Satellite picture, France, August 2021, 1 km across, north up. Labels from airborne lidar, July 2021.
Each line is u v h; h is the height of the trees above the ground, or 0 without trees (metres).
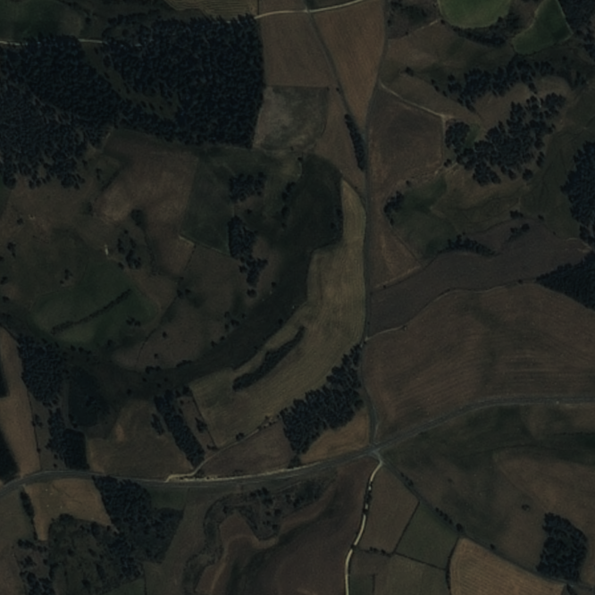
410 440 0
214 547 0
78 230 0
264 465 0
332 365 0
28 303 0
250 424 0
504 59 0
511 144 14
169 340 0
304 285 0
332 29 0
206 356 0
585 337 0
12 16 0
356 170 0
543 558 9
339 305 0
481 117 0
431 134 0
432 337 0
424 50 0
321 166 0
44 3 0
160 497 0
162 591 0
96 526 14
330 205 0
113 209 0
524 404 0
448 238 0
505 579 0
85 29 0
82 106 19
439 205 0
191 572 0
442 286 0
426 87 0
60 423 15
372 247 0
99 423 0
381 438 0
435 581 0
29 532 0
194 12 0
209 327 0
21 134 19
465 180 0
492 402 0
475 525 0
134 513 17
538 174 0
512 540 0
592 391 0
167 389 0
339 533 0
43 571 0
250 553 0
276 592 0
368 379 0
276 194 0
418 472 0
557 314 0
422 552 0
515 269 0
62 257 0
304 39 0
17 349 0
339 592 0
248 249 19
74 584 0
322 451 0
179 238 0
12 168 16
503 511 0
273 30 0
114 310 0
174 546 0
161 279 0
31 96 15
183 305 0
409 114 0
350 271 0
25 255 0
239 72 23
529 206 0
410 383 0
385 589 0
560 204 0
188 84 9
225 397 0
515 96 0
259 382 0
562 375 0
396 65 0
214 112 23
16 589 0
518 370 0
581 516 0
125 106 23
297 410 8
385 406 0
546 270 0
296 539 0
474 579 0
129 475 0
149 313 0
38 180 8
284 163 0
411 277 0
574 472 0
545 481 0
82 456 16
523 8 0
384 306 0
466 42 0
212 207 0
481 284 0
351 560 0
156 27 11
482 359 0
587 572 0
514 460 0
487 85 18
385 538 0
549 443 0
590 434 0
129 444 0
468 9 0
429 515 0
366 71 0
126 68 30
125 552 18
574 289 9
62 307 0
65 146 18
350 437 0
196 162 0
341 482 0
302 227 0
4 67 12
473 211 0
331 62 0
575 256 0
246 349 0
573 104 0
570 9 16
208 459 0
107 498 13
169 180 0
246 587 0
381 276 0
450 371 0
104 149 0
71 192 0
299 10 0
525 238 0
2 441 15
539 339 0
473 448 0
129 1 7
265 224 0
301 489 0
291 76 0
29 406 0
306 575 0
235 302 0
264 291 0
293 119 0
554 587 0
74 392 0
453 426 0
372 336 0
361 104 0
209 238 0
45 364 19
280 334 0
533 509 0
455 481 0
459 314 0
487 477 0
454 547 0
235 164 0
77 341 0
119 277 0
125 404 0
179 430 18
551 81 0
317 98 0
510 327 0
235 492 0
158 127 18
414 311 0
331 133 0
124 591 0
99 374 0
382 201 0
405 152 0
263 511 0
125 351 0
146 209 0
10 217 0
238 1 0
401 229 0
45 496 0
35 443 0
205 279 0
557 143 0
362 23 0
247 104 23
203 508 0
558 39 0
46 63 29
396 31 0
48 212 0
